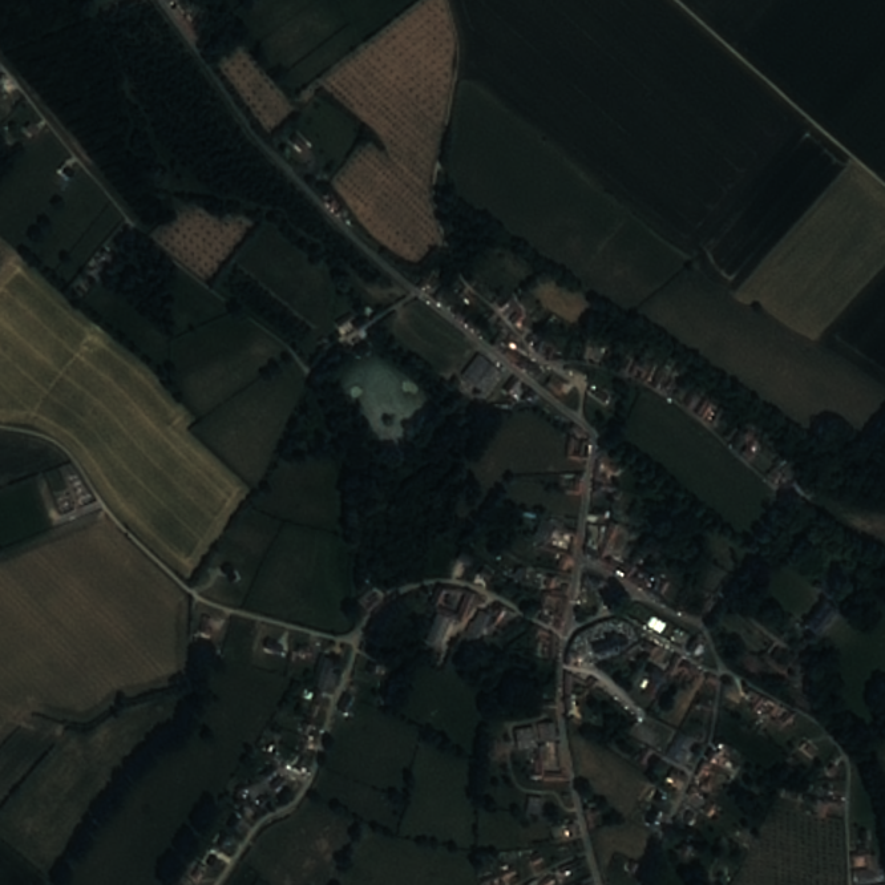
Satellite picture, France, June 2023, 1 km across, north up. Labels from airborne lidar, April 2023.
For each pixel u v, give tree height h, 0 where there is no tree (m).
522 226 0
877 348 0
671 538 31
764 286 0
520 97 0
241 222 0
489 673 10
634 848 0
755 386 0
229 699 0
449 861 0
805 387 0
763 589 25
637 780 0
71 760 0
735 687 0
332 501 0
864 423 0
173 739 29
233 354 0
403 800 10
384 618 24
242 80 0
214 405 0
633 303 0
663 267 0
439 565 0
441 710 0
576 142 0
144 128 7
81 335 0
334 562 0
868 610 27
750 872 0
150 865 0
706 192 0
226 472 0
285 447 14
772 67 0
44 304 0
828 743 0
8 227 0
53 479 0
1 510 0
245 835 0
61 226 0
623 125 0
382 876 0
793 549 19
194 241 0
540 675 7
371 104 0
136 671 0
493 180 0
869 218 0
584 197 0
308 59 0
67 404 0
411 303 0
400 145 0
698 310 0
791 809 0
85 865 0
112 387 0
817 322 0
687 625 0
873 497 28
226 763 0
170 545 0
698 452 0
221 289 0
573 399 0
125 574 0
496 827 0
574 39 0
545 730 0
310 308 0
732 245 0
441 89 0
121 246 12
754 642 0
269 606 0
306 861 0
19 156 8
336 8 0
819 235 0
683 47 0
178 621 0
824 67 0
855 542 29
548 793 0
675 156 0
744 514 0
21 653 0
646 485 10
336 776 0
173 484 0
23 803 0
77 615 0
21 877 0
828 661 27
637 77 0
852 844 0
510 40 0
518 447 0
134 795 0
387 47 0
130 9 6
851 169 0
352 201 0
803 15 0
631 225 0
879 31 0
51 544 0
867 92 0
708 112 0
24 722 0
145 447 0
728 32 0
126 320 0
